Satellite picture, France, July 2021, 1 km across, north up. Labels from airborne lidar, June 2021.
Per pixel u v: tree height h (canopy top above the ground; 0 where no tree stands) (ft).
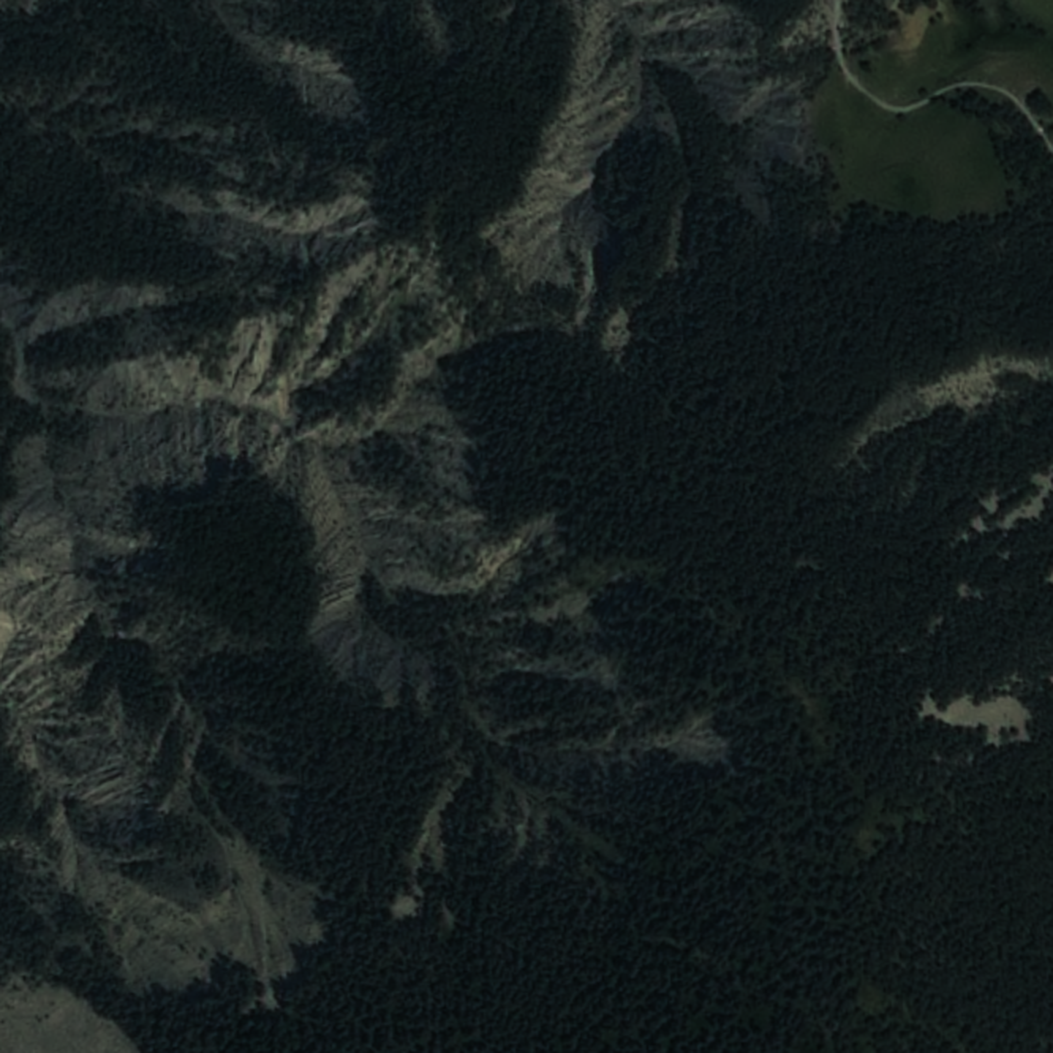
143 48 42
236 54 59
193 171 25
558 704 28
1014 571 64
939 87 0
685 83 45
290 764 43
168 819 37
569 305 36
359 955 39
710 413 64
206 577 32
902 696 45
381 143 38
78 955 38
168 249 28
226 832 23
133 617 40
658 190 54
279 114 40
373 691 24
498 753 32
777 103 0
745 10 42
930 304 54
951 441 54
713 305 64
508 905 48
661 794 32
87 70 32
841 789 42
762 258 61
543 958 48
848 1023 37
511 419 33
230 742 32
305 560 48
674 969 58
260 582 36
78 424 31
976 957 62
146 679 34
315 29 25
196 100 45
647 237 64
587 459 50
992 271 32
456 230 40
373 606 33
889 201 0
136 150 46
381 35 26
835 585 64
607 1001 57
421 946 50
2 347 39
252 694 32
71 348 56
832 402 64
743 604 46
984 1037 42
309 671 46
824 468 42
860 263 39
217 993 24
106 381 0
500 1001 44
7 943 28
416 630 42
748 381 69
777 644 43
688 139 53
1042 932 45
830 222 20
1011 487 49
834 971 50
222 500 45
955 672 51
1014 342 34
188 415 0
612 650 51
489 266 24
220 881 34
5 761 27
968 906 48
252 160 25
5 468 40
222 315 31
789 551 48
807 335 72
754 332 64
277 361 24
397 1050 52
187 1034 44
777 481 65
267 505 40
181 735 43
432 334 19
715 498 65
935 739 48
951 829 41
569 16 24
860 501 39
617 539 26
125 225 39
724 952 41
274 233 0
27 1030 0
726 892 49
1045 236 27
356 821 38
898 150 0
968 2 20
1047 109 42
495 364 37
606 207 26
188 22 41
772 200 39
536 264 0
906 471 45
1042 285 45
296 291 35
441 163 53
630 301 32
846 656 35
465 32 47
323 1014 46
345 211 0
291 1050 19
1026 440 53
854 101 0
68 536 0
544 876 40
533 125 46
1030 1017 53
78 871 0
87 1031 0
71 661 23
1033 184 44
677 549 47
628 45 27
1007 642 48
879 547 33
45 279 39
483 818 30
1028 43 0
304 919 0
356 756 58
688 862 20
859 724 44
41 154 37
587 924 39
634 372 53
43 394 30
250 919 0
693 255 66
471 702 23
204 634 28
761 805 47
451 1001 43
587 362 31
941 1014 21
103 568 19
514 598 22
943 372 21
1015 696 22
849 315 52
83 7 27
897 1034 21
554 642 43
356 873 39
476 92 45
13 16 56
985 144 0
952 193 0
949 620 53
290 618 34
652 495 49
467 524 0
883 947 39
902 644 31
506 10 27
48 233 47
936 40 0
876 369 63
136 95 27
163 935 0
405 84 51
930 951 46
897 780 47
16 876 45
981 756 46
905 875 38
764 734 53
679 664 51
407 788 59
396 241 21
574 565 22
